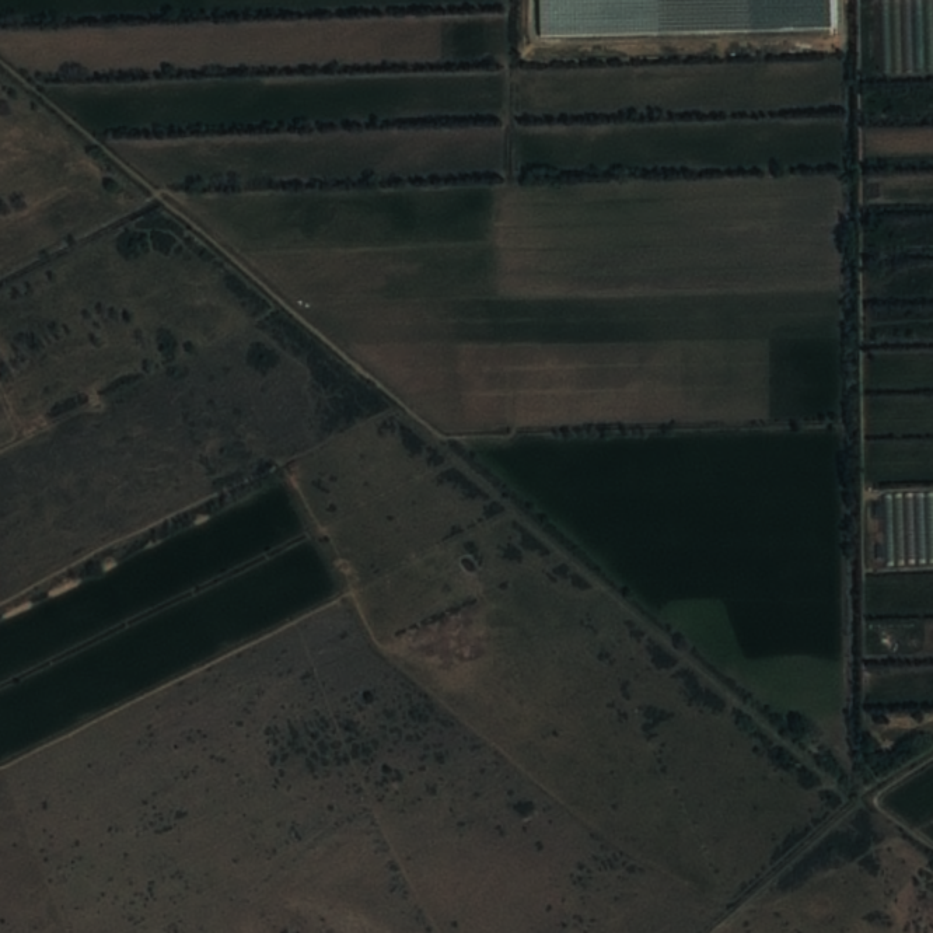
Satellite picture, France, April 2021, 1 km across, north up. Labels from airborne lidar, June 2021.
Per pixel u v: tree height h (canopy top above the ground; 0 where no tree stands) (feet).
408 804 0
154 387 0
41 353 44
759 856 0
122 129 26
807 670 0
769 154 0
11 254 0
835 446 0
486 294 0
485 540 0
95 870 0
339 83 0
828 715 0
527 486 0
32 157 0
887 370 0
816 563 0
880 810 0
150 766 0
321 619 0
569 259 0
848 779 24
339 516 0
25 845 0
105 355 0
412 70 33
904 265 34
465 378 0
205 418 0
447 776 0
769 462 0
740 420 0
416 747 0
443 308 0
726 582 0
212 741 0
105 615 0
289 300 0
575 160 0
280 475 45
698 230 0
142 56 0
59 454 0
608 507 0
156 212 30
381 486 0
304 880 0
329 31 0
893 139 0
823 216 0
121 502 0
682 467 0
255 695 0
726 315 0
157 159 0
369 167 0
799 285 0
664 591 0
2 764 0
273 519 0
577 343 0
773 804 0
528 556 0
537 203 0
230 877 0
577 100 0
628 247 0
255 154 0
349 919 0
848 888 0
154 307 0
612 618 0
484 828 0
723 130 0
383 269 0
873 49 0
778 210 0
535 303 0
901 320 0
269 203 0
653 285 0
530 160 0
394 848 0
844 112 48
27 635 0
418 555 0
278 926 0
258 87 0
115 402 0
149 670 0
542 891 0
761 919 0
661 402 0
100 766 0
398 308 0
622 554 0
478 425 0
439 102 0
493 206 0
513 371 0
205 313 0
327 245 0
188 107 0
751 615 0
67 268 0
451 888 0
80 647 0
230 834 0
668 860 0
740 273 0
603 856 0
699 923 0
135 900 0
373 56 0
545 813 0
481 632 0
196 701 0
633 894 0
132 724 0
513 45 20
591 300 0
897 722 0
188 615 0
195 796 0
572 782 0
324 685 0
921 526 0
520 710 0
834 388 0
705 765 0
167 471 0
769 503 0
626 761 0
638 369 0
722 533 0
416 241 0
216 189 29
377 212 0
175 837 0
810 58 30
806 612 0
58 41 0
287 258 0
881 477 0
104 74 22
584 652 0
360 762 0
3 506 0
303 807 0
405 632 0
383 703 0
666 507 0
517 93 0
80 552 0
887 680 0
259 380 0
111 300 0
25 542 0
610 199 0
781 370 0
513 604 0
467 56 0
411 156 0
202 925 0
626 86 0
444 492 0
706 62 28
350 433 0
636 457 0
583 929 0
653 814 0
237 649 0
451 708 0
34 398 0
